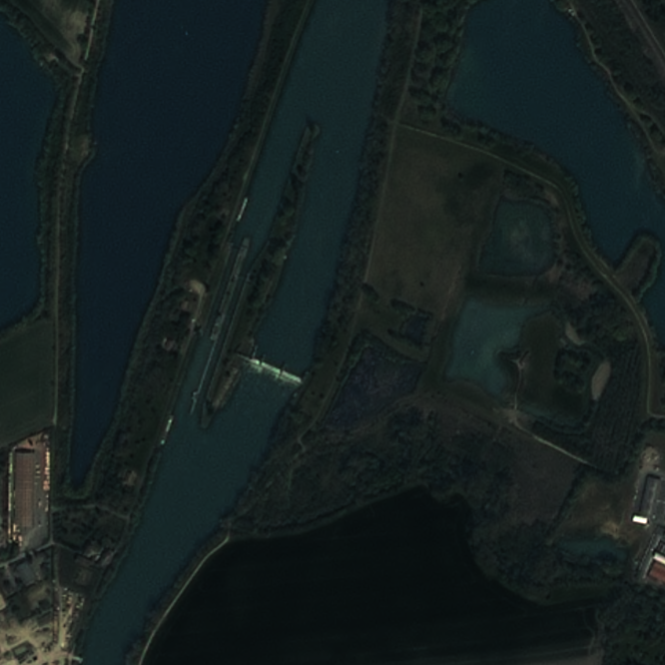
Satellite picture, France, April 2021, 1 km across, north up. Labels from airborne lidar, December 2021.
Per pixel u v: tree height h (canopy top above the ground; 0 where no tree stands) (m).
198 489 0
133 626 0
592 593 0
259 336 0
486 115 0
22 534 0
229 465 0
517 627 0
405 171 0
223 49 0
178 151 0
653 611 9
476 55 0
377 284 0
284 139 0
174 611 0
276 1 0
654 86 9
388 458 10
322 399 7
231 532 14
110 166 0
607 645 8
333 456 7
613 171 0
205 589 0
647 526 0
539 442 0
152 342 12
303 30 0
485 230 0
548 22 0
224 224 12
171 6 0
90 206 0
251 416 0
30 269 0
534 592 34
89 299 0
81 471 0
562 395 0
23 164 0
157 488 0
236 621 0
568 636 0
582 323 20
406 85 0
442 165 0
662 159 0
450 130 18
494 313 0
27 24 11
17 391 0
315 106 0
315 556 0
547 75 0
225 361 6
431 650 0
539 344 0
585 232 8
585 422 9
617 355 6
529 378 0
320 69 0
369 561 0
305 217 0
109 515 9
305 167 9
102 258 0
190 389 0
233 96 0
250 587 0
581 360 14
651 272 13
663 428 17
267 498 8
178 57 0
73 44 0
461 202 0
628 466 10
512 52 0
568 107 0
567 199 0
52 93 0
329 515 7
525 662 0
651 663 0
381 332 0
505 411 0
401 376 0
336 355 0
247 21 0
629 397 21
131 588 0
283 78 0
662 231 0
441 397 0
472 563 0
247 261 0
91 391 0
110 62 0
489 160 0
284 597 0
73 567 0
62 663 0
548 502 0
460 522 0
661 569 0
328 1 0
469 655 0
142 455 0
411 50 10
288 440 25
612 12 11
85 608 0
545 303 0
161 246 0
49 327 0
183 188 0
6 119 0
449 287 0
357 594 0
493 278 0
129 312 0
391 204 0
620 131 0
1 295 0
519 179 6
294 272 0
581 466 9
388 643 0
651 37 0
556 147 0
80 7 0
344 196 0
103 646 0
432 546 0
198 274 0
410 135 0
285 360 0
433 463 10
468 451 11
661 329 0
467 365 0
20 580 13
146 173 0
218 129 0
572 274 6
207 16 0
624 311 7
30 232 0
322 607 0
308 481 7
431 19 12
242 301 0
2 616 0
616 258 0
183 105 0
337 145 0
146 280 0
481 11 0
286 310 0
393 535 0
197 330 12
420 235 0
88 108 7
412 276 0
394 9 23
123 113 0
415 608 0
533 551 19
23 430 0
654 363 0
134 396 10
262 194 0
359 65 0
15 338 0
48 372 0
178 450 0
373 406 0
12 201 0
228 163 6
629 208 0
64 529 8
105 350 0
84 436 0
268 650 0
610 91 9
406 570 0
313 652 0
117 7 0
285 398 0
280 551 0
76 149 0
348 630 0
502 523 36
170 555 0
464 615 0
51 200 11
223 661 0
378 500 0
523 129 0
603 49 9
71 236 12
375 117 12
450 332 0
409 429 37
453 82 0
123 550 12
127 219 0
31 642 0
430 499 0
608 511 0
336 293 24
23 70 0
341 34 0
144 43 0
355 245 17
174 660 0
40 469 0
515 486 30
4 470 8
